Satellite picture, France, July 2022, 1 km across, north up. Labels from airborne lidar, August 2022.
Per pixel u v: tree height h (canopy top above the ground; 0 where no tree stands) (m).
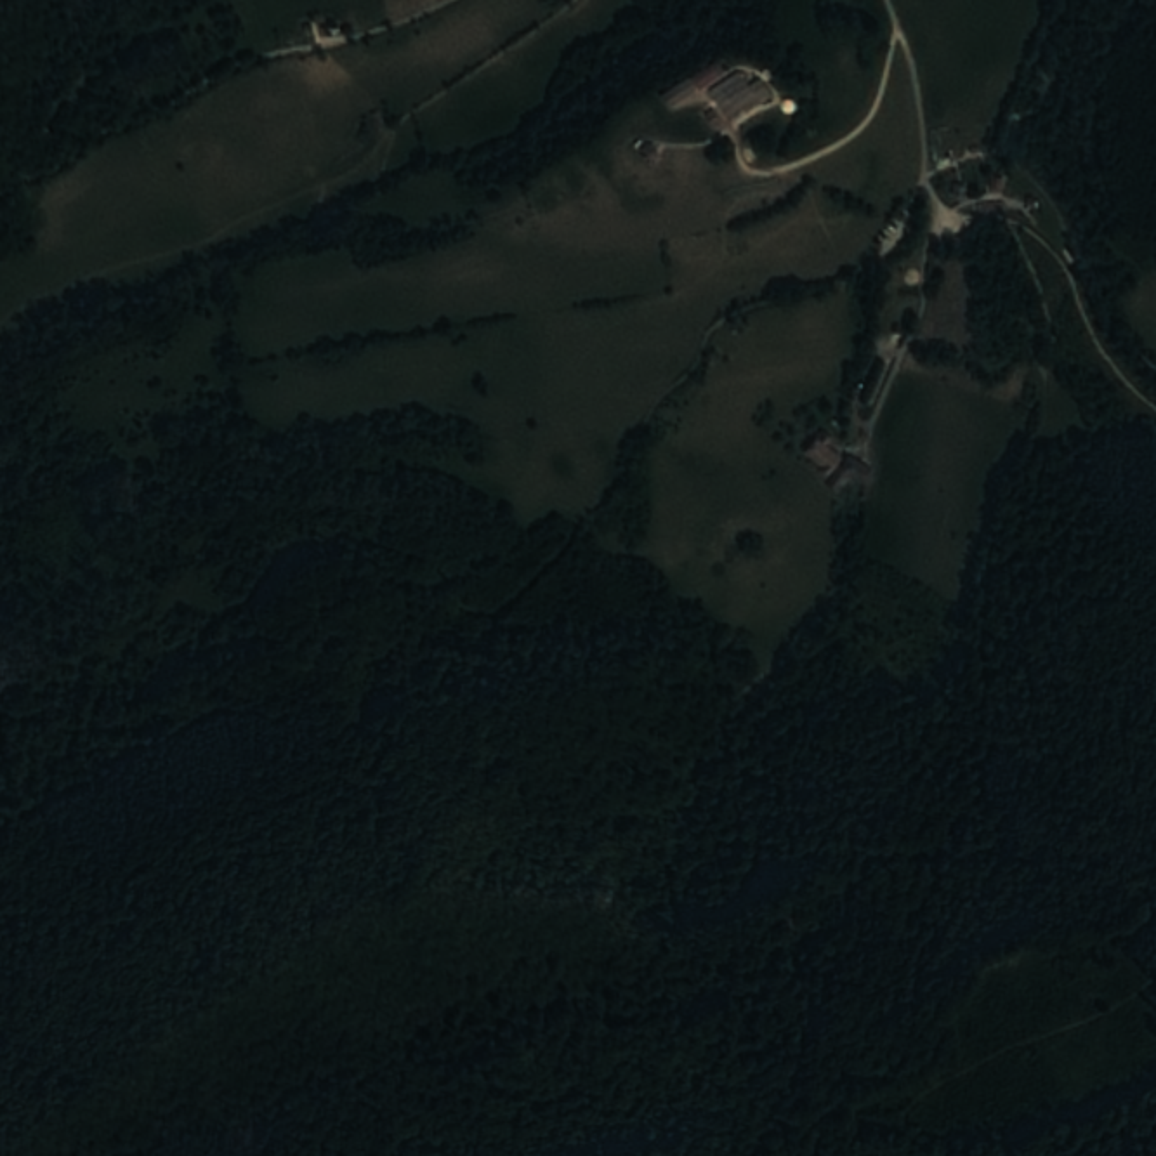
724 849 38
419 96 0
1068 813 25
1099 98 23
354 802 29
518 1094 13
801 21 0
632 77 25
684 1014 18
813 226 0
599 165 0
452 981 32
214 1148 27
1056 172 11
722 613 0
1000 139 12
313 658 26
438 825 21
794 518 0
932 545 0
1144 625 18
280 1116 32
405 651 31
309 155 0
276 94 0
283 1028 21
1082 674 19
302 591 27
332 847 24
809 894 36
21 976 33
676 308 0
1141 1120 30
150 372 0
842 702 23
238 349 15
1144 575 23
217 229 0
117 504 24
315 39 0
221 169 0
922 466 0
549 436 0
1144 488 27
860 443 0
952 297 0
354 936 15
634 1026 31
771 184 0
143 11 12
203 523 14
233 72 7
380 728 19
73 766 24
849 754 21
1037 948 23
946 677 28
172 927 23
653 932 35
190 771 30
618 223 0
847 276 14
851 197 14
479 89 0
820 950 33
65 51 19
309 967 13
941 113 0
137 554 16
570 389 0
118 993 19
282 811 28
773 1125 27
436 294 0
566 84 12
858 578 31
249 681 30
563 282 0
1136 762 18
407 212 0
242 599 8
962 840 30
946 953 27
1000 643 30
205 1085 27
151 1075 14
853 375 13
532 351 0
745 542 15
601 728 29
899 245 7
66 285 0
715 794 33
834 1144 31
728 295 0
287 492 18
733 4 10
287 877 18
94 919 30
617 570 14
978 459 0
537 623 15
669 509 0
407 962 17
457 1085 35
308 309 0
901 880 35
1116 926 25
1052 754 26
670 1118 26
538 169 16
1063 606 25
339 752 27
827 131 0
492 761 13
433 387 0
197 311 7
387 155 0
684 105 0
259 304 0
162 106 18
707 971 30
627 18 17
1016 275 8
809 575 0
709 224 0
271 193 0
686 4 19
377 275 0
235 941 22
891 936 32
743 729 29
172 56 26
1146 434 29
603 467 0
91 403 0
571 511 0
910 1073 25
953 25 0
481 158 12
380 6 0
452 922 14
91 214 0
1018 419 0
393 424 18
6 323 0
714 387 0
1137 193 26
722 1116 26
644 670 28
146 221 0
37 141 15
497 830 18
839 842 37
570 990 29
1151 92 25
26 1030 24
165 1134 31
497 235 0
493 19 0
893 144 0
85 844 27
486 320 7
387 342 13
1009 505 25
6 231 22
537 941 18
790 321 0
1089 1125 34
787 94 0
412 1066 34
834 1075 25
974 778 14
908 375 0
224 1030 21
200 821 25
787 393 0
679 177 0
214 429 25
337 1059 31
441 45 0
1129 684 20
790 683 13
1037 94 14
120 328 15
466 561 17
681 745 28
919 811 30
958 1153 26
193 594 0
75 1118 14
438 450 12
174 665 21
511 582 12
